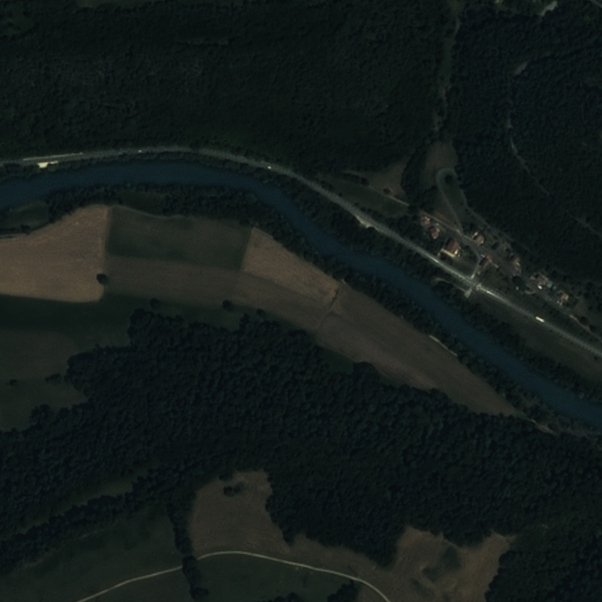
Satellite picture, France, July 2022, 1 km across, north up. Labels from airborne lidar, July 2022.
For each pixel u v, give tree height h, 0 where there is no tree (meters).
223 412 30
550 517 17
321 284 0
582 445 24
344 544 10
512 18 10
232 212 19
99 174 0
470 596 0
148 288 0
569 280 15
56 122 31
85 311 0
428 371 0
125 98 22
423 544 0
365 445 35
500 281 0
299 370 26
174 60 15
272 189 0
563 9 22
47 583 0
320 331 0
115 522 24
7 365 0
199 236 0
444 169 0
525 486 35
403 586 0
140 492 30
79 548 0
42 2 22
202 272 0
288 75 11
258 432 42
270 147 8
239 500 0
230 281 0
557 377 14
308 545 0
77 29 20
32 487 30
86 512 17
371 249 17
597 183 19
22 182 0
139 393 32
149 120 18
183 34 9
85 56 22
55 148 11
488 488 26
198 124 11
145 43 15
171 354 26
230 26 23
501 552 0
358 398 35
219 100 12
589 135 18
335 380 28
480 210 18
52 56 23
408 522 18
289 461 28
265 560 0
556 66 27
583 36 33
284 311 0
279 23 23
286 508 20
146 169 0
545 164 16
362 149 16
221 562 0
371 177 0
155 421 31
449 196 0
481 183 28
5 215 17
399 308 23
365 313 0
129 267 0
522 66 0
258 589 0
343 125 11
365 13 18
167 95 19
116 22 24
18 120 18
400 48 28
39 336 0
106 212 0
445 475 26
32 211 0
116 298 0
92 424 27
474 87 12
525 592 32
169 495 24
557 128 19
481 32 28
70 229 0
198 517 0
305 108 9
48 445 20
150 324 25
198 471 32
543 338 0
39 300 0
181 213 14
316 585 0
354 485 25
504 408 0
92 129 23
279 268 0
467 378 0
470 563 0
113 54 25
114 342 0
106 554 0
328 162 18
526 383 0
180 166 0
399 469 32
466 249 7
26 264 0
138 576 0
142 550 0
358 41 23
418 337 0
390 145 17
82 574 0
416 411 37
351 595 19
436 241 14
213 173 0
